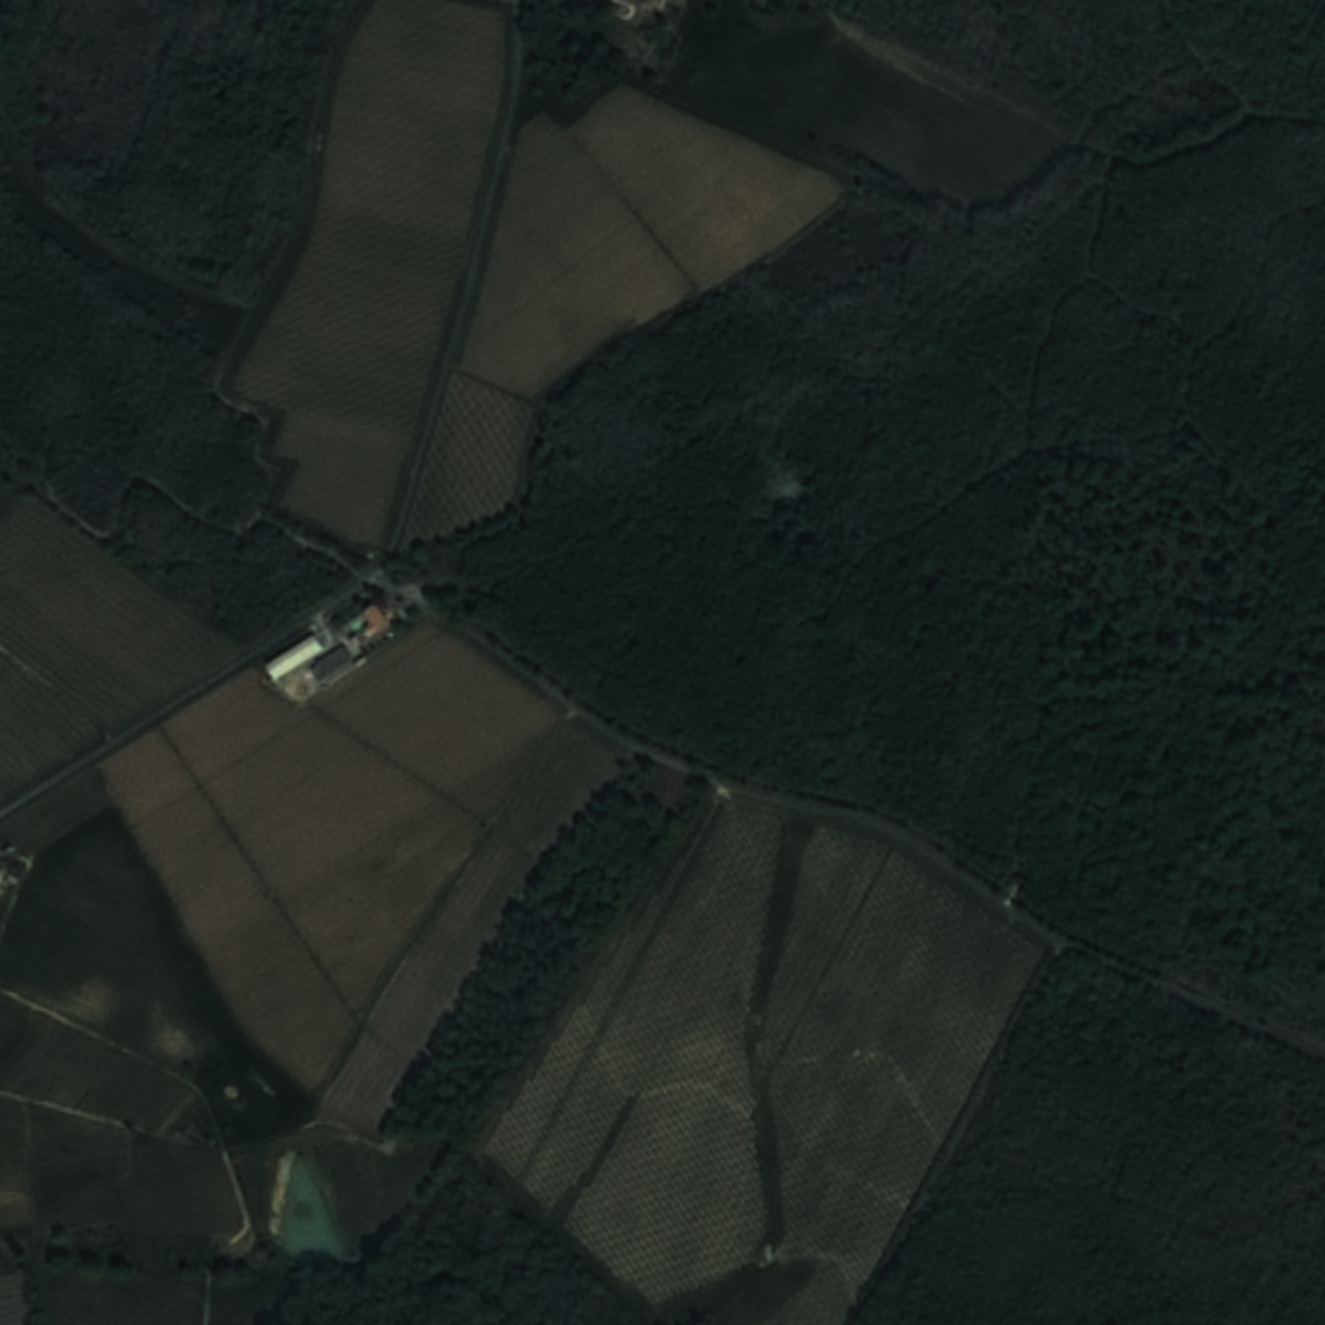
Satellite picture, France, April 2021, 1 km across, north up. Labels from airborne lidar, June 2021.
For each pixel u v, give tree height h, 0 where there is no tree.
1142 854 18
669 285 0
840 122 0
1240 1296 9
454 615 14
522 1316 15
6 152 10
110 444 9
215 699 0
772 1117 0
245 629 11
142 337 15
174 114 10
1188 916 18
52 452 10
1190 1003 11
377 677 0
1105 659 19
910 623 12
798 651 16
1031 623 13
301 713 0
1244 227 15
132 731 0
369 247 0
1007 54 12
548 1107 0
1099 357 9
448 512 0
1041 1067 13
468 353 0
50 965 0
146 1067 0
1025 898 7
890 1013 0
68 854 0
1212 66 16
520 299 0
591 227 0
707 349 15
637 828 20
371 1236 0
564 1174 0
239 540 9
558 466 14
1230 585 22
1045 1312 12
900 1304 10
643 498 13
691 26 0
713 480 12
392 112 0
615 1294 6
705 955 0
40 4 14
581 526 13
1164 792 17
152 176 11
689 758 8
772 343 15
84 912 0
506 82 0
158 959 0
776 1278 0
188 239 18
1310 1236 8
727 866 0
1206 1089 8
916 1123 0
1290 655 14
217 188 15
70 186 17
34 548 0
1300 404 11
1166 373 13
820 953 0
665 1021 0
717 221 0
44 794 0
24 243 13
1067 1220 12
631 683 14
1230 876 15
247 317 0
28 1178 0
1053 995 11
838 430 14
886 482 10
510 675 0
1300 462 12
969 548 12
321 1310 22
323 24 10
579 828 12
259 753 0
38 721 0
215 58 11
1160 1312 14
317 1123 0
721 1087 0
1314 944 14
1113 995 12
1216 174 14
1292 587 15
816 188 0
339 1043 0
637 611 16
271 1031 0
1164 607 17
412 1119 19
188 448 17
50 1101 0
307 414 0
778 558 17
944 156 0
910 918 0
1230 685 10
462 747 0
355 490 0
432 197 0
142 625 0
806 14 9
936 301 15
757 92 0
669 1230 0
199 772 0
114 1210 0
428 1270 21
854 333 16
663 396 10
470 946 0
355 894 0
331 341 0
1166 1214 7
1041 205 21
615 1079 0
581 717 0
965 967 0
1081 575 9
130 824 0
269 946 0
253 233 13
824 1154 0
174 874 0
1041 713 12
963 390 14
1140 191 12
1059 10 15
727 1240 0
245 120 11
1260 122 10
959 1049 0
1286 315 18
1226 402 13
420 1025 0
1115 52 16
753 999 0
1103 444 10
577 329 0
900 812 7
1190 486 11
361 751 0
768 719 12
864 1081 0
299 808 0
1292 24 17
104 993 0
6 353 8
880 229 7
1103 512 12
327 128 0
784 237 0
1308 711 29
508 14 0
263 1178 0
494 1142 0
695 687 13
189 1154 0
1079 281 10
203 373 14
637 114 0
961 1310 12
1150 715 17
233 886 0
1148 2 23
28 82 9
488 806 0
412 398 0
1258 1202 7
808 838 0
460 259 0
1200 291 13
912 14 10
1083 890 14
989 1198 6
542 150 0
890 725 12
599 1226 0
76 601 0
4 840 0
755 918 0
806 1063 0
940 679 13
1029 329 13
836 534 12
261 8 9
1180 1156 10
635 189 0
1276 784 17
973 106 0
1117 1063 13
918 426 13
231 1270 15
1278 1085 12
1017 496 10
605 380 13
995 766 16
